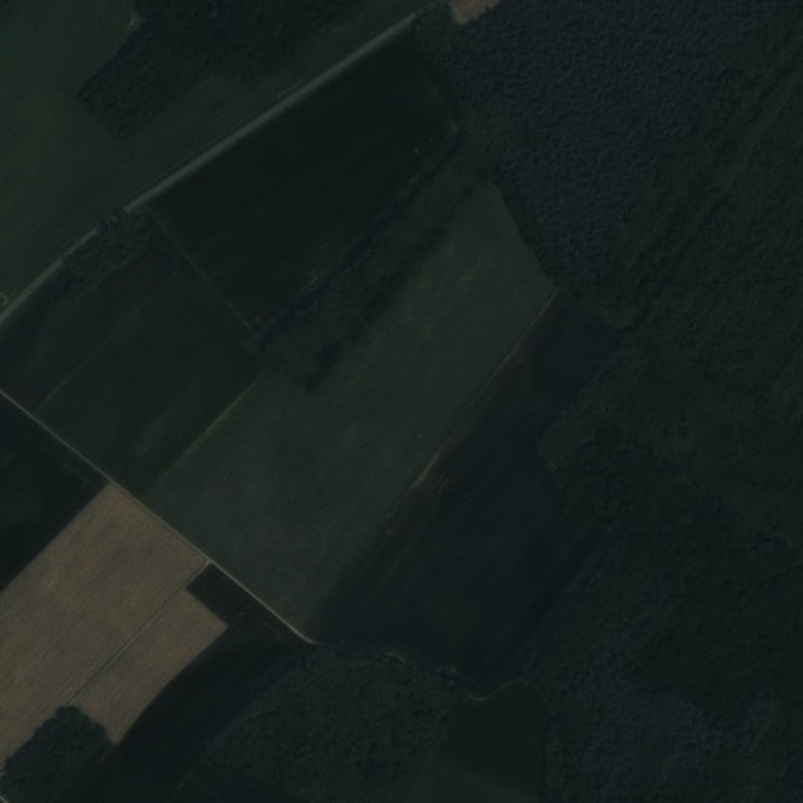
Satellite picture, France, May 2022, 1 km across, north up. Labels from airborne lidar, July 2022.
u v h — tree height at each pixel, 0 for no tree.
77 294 15
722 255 15
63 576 0
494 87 9
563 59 32
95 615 0
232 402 0
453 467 0
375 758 15
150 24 14
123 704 0
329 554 0
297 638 0
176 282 0
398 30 0
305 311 18
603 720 23
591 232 32
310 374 19
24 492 0
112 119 19
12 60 0
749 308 28
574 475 27
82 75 0
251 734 21
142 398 0
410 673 23
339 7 26
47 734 15
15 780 7
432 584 0
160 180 0
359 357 0
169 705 0
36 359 0
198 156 0
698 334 29
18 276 0
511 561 0
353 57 0
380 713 26
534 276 0
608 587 21
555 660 22
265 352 19
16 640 0
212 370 0
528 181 31
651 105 32
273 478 0
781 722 27
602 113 28
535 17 22
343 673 23
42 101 0
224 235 0
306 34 24
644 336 25
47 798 8
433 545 0
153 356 0
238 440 0
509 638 0
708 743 35
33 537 0
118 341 0
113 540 0
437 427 0
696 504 29
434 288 0
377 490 0
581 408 20
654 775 25
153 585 0
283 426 0
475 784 0
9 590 0
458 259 0
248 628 0
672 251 23
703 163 23
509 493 0
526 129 30
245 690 0
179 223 0
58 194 0
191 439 0
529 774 0
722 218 23
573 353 0
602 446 26
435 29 21
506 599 0
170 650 0
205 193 0
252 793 0
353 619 0
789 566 28
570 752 20
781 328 13
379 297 22
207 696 0
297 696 25
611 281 25
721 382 30
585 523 0
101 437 0
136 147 0
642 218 27
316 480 0
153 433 0
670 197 29
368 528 0
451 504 0
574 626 27
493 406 0
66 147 0
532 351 0
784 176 18
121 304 0
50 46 0
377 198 0
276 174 0
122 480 0
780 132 28
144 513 0
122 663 0
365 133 0
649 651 10
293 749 21
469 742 0
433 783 0
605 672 24
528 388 0
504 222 0
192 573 0
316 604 0
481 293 0
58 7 0
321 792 20
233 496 0
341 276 20
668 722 28
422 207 19
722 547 27
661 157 28
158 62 25
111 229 19
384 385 0
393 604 0
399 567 0
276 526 0
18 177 0
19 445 0
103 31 0
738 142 27
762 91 12
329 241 0
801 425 11
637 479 31
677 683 10
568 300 0
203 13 21
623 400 7
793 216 25
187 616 0
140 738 0
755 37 28
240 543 0
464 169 19
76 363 0
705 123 29
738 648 25
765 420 6
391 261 19
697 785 32
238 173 0
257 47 26
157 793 0
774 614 28
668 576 27
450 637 0
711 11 27
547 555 0
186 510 0
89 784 0
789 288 14
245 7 24
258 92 0
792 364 29
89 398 0
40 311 0
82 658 0
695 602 26
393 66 0
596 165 32
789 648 30
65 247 0
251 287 0
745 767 25
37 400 0
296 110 0
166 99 18
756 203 21
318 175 0
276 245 0
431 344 0
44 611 0
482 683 0
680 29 37
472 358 0
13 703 0
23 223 0
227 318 0
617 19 35
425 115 0
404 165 0
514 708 0
